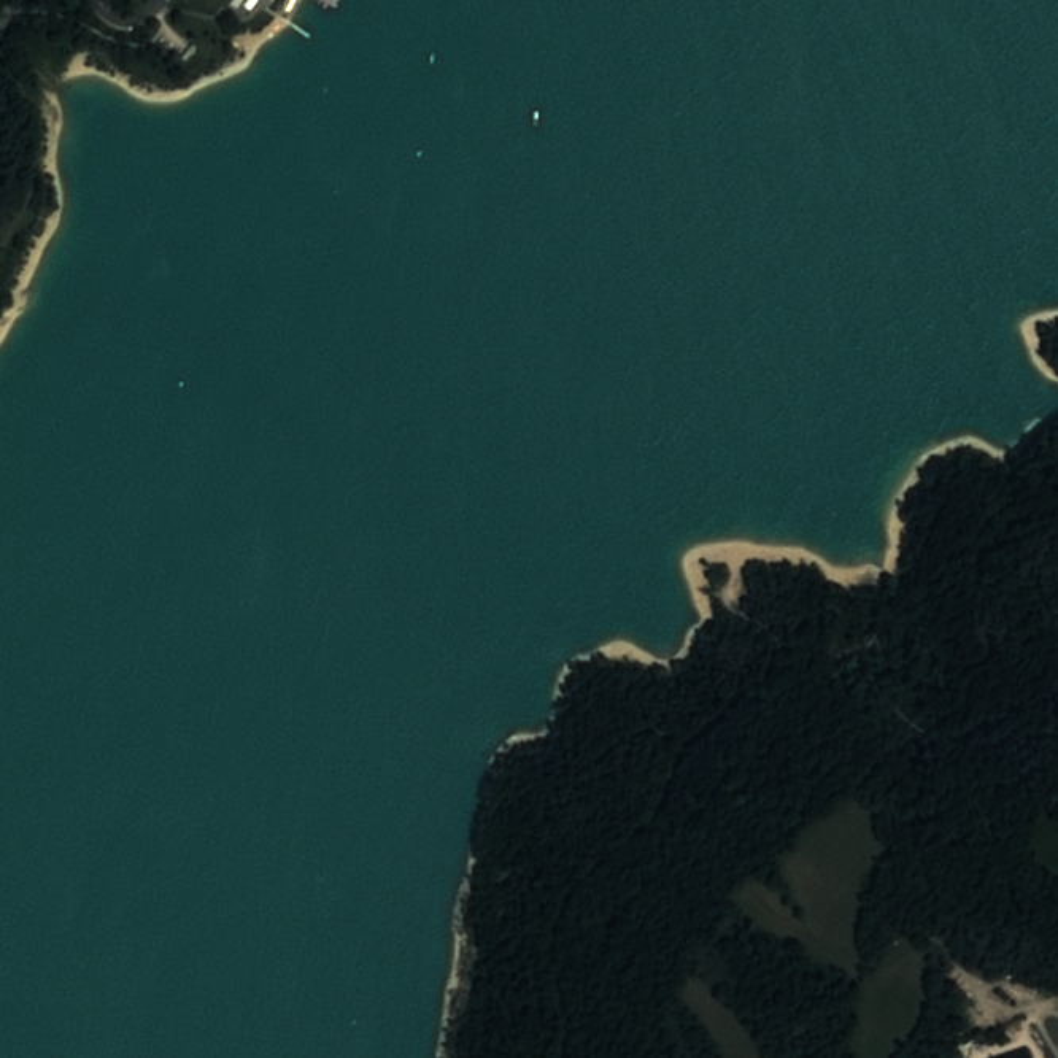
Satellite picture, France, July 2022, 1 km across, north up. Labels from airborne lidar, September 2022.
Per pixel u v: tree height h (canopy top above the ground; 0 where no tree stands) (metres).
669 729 16
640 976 18
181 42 0
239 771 0
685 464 0
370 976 0
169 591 0
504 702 0
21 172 13
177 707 0
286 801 0
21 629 0
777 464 0
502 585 0
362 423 0
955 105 0
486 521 0
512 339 0
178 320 0
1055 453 15
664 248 0
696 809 14
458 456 0
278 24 0
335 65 0
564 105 0
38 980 0
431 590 0
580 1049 18
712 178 0
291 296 0
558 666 0
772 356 0
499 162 0
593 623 0
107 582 0
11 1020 0
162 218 0
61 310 0
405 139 0
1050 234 0
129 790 0
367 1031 0
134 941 0
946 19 0
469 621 0
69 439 0
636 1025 21
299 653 0
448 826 0
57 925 0
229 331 0
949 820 29
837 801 16
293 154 0
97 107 0
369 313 0
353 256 0
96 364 0
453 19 0
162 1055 0
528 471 0
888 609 9
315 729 0
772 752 21
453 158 0
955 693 24
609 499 0
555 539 0
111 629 0
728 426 0
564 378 0
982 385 0
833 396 0
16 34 16
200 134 0
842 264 0
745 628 13
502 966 20
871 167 0
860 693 21
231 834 0
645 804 21
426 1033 0
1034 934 18
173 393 0
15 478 0
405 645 0
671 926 22
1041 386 0
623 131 0
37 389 0
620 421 0
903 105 0
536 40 0
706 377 0
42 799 0
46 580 0
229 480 0
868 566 0
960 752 26
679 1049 15
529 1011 17
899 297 0
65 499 0
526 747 14
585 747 19
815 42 0
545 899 16
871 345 0
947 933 16
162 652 0
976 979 0
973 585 30
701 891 20
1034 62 0
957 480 22
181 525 0
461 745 0
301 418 0
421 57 0
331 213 0
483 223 0
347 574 0
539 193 0
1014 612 25
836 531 0
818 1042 20
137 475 0
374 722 0
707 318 0
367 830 0
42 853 0
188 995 0
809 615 9
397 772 0
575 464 0
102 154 0
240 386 0
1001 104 0
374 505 0
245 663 0
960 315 0
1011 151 0
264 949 0
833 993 18
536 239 0
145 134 0
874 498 0
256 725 0
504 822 18
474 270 0
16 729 0
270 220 0
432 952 0
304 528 0
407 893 0
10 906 0
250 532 0
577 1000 15
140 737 0
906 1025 0
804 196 0
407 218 0
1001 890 20
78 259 0
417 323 0
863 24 0
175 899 0
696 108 0
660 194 0
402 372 0
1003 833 18
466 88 0
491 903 16
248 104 0
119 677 0
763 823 22
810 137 0
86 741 0
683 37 0
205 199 0
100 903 0
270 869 0
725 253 0
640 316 0
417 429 0
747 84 0
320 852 0
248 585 0
